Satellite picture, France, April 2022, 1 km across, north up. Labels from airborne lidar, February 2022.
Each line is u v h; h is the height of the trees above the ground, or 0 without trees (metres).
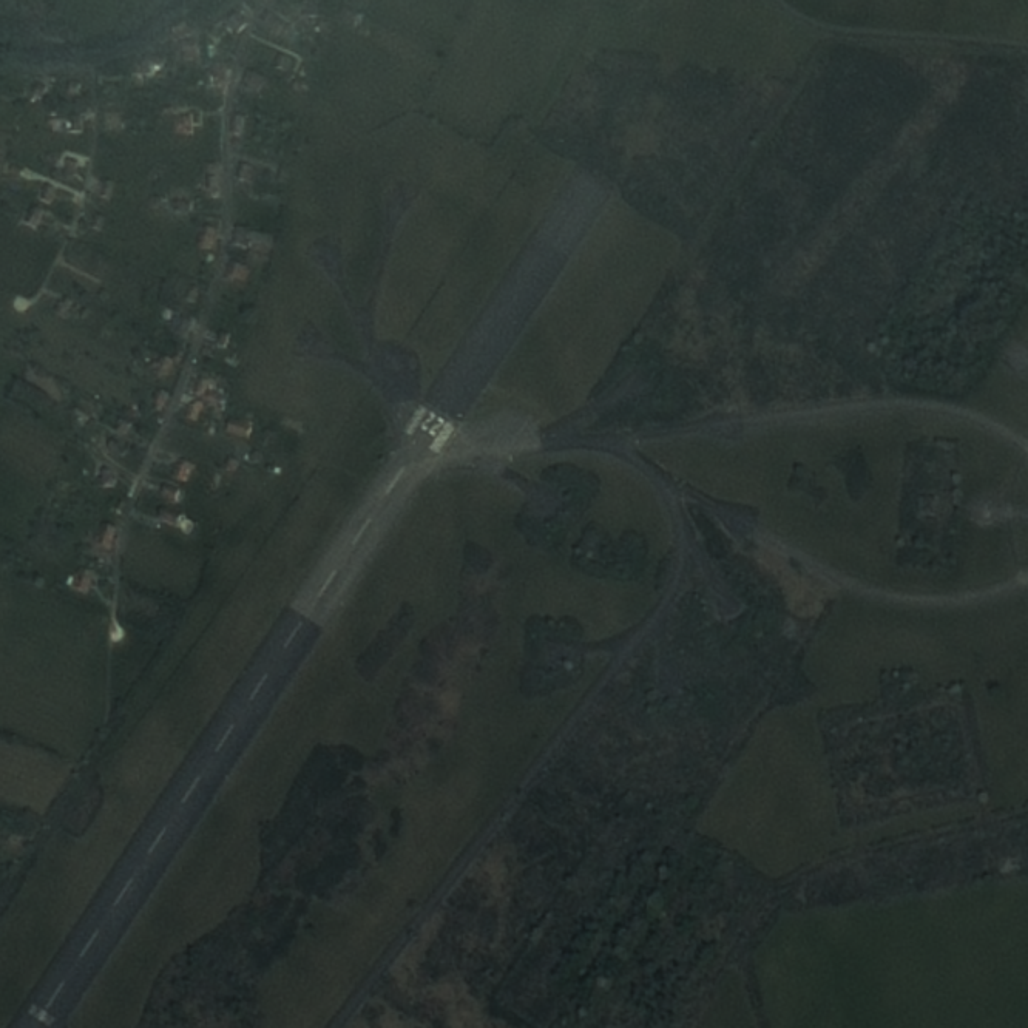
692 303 0
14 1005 0
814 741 0
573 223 0
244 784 0
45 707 0
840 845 0
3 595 0
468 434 0
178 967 0
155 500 0
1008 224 14
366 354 0
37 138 0
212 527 0
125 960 0
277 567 0
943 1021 0
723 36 0
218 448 0
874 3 0
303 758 0
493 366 0
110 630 0
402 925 0
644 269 0
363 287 0
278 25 0
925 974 0
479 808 0
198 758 0
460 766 0
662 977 13
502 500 0
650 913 9
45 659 0
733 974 0
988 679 0
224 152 0
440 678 0
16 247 0
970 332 17
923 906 0
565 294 0
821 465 0
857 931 0
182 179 0
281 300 0
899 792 0
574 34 0
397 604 0
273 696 0
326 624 0
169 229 0
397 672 0
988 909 0
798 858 0
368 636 0
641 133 0
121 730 0
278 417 0
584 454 0
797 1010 0
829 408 0
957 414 0
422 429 0
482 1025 0
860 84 0
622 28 0
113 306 0
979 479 0
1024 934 0
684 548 0
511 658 0
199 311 0
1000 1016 0
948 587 0
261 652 0
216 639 0
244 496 0
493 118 0
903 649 0
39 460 0
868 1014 0
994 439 0
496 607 0
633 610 0
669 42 0
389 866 0
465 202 0
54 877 0
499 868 0
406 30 0
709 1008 0
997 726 0
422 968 0
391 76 0
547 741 0
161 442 0
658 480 0
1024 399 0
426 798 0
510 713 0
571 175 0
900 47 0
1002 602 0
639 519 0
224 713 0
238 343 0
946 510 0
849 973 0
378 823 0
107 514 0
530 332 0
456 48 0
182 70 0
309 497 0
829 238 0
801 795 0
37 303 0
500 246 0
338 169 0
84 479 0
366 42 0
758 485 0
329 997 0
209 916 0
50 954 0
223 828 0
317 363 0
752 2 0
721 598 0
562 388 0
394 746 0
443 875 0
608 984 13
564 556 0
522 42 0
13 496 0
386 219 0
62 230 0
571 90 0
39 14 0
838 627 0
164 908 0
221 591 0
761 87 0
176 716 0
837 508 0
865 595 0
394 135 0
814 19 0
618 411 0
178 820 0
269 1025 0
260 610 0
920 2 0
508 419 0
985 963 0
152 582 0
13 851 0
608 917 13
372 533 0
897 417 0
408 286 0
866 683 0
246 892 0
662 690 0
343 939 0
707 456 0
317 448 0
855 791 0
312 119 0
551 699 0
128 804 0
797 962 0
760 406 0
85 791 0
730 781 0
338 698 0
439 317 0
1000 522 0
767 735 0
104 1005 0
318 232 0
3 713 0
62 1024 0
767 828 0
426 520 0
